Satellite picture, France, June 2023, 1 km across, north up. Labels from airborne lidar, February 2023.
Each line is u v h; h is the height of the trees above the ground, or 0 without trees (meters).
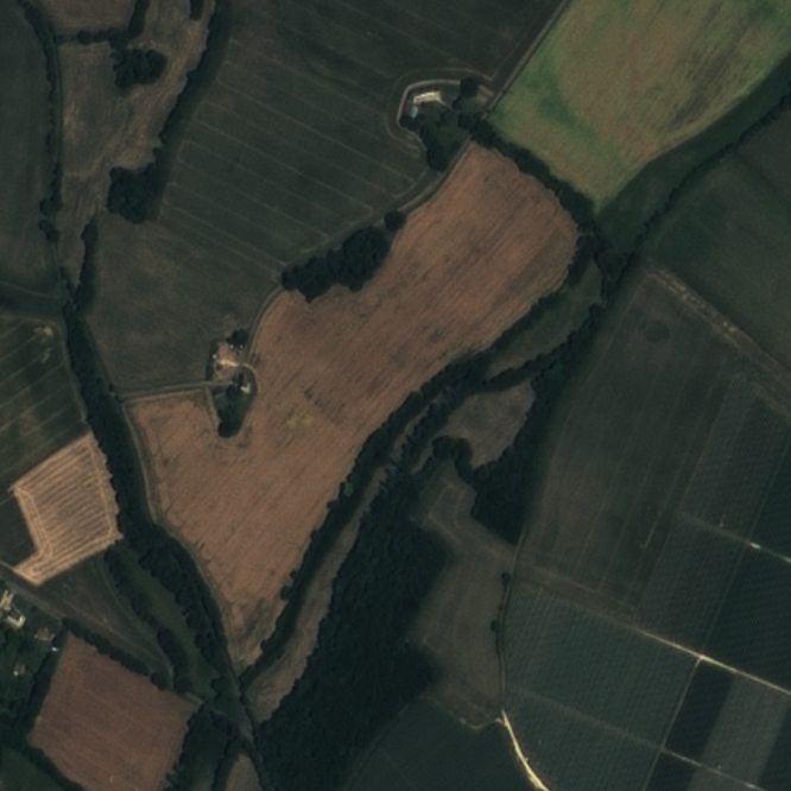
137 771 0
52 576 0
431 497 0
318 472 0
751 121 0
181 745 0
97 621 0
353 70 0
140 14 12
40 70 0
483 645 0
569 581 0
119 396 9
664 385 0
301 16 0
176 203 0
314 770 22
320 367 0
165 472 0
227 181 0
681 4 0
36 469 0
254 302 0
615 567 0
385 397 0
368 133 0
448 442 14
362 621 22
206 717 19
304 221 0
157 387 0
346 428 0
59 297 0
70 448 0
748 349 0
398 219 19
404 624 18
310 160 0
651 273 0
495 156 0
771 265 0
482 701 0
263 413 0
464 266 0
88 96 0
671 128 0
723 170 0
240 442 0
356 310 0
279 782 16
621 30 0
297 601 14
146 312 0
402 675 27
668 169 0
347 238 0
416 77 0
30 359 0
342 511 16
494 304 0
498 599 0
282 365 0
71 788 14
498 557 0
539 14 0
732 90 0
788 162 0
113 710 0
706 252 0
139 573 0
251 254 0
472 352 0
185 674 19
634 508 0
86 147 0
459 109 8
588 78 0
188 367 0
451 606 0
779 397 0
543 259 0
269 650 14
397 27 0
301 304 0
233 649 0
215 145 0
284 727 17
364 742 23
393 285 0
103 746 0
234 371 0
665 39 0
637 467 0
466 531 0
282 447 0
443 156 18
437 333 0
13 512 0
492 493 22
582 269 15
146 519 16
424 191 0
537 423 15
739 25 0
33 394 0
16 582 0
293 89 0
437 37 0
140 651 0
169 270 0
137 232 0
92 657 0
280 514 0
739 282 0
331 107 0
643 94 0
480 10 0
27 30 0
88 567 0
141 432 0
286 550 0
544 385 12
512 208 0
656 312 0
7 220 0
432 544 14
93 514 0
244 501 0
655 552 0
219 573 0
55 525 0
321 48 0
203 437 0
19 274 0
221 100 0
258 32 0
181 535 0
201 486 0
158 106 0
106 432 21
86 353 18
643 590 0
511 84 0
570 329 0
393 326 0
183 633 0
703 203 0
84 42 14
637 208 0
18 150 0
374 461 18
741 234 0
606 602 0
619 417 0
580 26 0
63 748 0
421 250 0
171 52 0
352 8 0
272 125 0
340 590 18
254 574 0
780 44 0
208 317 0
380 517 21
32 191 0
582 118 0
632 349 0
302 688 20
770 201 0
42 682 16
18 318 0
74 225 0
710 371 0
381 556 16
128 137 0
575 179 0
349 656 20
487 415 0
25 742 14
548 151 0
